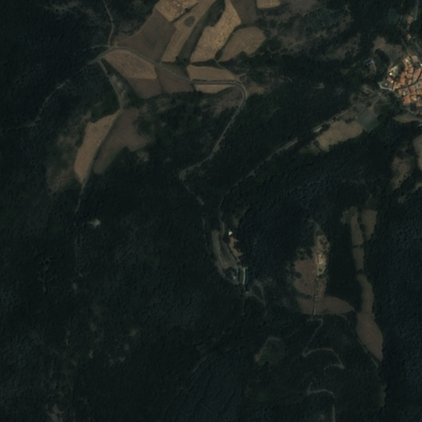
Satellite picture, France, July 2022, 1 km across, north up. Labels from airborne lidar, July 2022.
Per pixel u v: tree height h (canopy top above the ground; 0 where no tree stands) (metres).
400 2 13
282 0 0
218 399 8
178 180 16
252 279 13
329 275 8
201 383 10
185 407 7
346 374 11
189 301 12
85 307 10
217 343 7
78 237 10
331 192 9
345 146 11
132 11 9
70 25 15
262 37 0
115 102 0
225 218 12
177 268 7
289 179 16
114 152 0
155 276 14
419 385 10
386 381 18
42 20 14
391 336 11
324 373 10
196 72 0
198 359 9
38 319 13
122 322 14
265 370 12
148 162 8
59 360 11
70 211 11
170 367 19
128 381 16
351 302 7
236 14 0
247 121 14
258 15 0
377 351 0
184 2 0
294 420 11
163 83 0
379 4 19
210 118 7
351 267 12
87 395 17
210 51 0
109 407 18
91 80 9
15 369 9
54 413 12
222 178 15
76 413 8
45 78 7
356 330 12
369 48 10
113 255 9
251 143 14
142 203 12
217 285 13
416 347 8
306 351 7
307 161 7
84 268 11
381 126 6
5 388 13
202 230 18
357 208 15
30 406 12
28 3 15
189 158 13
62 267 18
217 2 0
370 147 9
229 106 0
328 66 14
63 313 12
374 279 10
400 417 7
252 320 10
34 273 20
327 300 0
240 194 10
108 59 0
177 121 10
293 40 0
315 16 9
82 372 12
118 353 12
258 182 9
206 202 10
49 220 9
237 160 16
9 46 21
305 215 11
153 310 15
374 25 8
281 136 6
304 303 0
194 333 14
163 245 10
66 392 12
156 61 0
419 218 10
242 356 8
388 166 11
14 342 16
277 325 8
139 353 22
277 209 14
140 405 19
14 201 10
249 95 0
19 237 7
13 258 19
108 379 21
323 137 0
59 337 11
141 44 0
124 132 0
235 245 8
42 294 16
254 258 9
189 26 0
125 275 11
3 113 17
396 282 12
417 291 11
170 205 12
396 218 10
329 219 9
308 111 8
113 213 9
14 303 6
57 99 6
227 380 9
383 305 11
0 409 14
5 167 12
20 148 9
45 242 14
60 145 0
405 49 11
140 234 11
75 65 7
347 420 17
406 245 7
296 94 16
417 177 17
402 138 12
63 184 0
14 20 21
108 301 8
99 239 8
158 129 0
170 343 18
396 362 20
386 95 6
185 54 0
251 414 14
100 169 0
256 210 10
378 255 13
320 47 8
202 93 12
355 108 7
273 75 6
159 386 25
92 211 15
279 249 8
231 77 0
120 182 14
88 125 0
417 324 11
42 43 10
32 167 9
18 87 8
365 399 15
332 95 8
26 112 13
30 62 7
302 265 0
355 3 15
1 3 16
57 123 7
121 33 0
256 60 0
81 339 11
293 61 14
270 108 7
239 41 0
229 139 16
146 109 0
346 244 12
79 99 8
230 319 19
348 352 7
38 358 14
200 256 17
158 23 0
